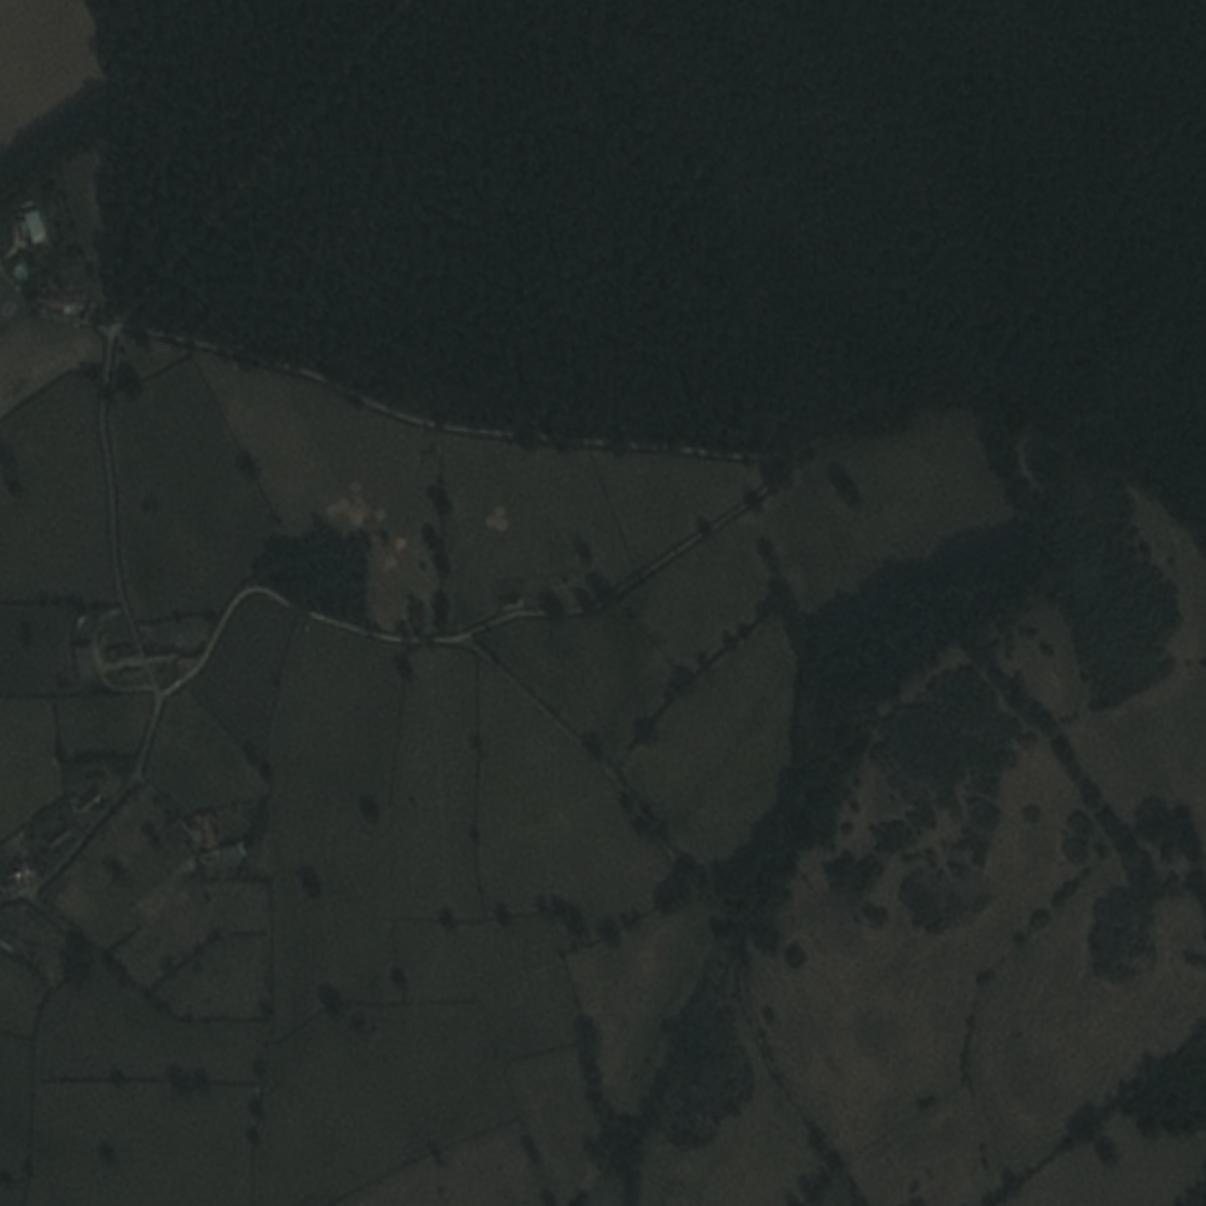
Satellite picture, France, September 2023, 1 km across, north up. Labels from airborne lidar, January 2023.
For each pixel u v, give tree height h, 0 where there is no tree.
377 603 0
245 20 28
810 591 0
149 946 0
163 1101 0
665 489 0
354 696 0
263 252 19
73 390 0
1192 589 0
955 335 22
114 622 0
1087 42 18
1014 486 7
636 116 24
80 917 0
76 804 0
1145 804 0
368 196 23
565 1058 0
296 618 0
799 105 22
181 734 0
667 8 20
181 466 0
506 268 19
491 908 0
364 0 20
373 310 20
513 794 0
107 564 0
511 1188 0
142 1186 0
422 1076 0
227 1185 0
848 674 28
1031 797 0
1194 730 0
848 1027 0
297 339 18
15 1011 0
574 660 0
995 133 16
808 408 14
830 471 0
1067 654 0
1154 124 19
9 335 0
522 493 0
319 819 0
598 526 0
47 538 0
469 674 0
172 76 21
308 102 24
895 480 0
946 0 19
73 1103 0
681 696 10
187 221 20
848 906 0
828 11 21
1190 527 17
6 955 6
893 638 27
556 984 0
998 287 17
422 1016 0
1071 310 21
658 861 0
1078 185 18
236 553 0
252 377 0
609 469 0
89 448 0
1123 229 21
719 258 23
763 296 19
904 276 16
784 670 0
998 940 0
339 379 19
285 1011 0
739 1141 0
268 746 0
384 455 0
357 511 0
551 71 26
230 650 0
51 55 0
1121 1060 0
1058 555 8
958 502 0
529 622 0
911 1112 0
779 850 15
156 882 0
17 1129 0
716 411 23
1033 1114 0
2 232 0
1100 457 19
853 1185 11
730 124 22
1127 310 24
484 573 0
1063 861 0
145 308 8
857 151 21
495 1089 0
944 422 0
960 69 17
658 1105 13
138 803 0
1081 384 20
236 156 20
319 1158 0
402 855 0
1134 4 20
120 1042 0
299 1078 0
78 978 15
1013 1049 0
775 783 0
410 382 22
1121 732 0
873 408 16
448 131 25
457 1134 0
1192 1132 11
